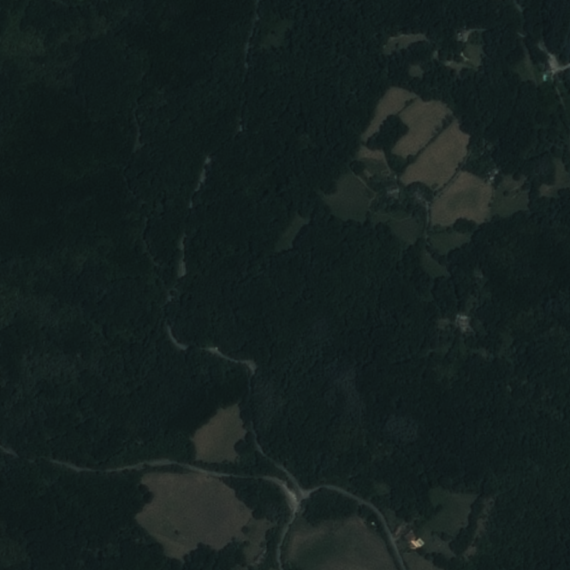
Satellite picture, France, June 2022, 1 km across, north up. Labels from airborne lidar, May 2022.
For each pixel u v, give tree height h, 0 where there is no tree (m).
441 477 15
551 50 29
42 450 18
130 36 15
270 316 25
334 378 23
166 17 11
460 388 20
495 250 12
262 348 16
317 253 24
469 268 23
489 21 30
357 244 25
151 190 19
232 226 21
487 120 18
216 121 15
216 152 21
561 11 34
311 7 29
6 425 16
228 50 18
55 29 19
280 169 26
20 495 15
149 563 25
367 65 29
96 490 20
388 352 20
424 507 22
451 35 21
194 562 20
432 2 15
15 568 23
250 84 24
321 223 25
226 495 0
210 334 22
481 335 14
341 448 15
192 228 20
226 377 10
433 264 0
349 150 24
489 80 23
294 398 16
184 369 14
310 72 25
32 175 10
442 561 15
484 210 0
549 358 19
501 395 23
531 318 12
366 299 24
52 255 13
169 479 0
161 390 17
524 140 27
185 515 0
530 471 9
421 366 17
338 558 0
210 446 0
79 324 22
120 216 7
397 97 0
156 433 11
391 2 21
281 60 24
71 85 12
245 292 23
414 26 28
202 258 10
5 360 26
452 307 15
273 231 25
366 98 19
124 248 11
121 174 11
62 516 12
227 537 0
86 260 17
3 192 13
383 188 9
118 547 25
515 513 23
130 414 12
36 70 14
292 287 27
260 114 29
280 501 11
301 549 0
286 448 18
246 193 23
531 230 15
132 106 10
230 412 0
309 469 15
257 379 16
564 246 13
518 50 25
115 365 17
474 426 22
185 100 23
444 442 17
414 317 18
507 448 17
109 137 11
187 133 20
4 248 13
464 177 0
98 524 20
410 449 22
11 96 19
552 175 14
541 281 15
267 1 18
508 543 19
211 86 22
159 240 24
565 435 23
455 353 13
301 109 30
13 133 9
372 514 13
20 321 26
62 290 24
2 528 22
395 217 0
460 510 0
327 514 19
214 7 15
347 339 27
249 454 8
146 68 18
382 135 15
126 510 21
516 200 0
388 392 17
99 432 22
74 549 27
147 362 19
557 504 22
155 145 19
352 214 0
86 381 26
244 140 23
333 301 19
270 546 13
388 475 22
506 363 9
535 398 19
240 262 14
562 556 30
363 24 29
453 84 23
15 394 19
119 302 24
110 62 24
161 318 12
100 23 14
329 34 15
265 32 12
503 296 15
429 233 9
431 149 0
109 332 24
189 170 19
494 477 12
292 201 23
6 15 16
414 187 15
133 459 11
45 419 17
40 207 14
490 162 7
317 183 22
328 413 22
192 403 11
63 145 11
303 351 21
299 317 22
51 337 19
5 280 20
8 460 17
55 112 6
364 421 14
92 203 14
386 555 0
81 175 7
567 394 17
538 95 16
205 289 12
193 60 14
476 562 11
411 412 25
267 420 18
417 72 0
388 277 22
